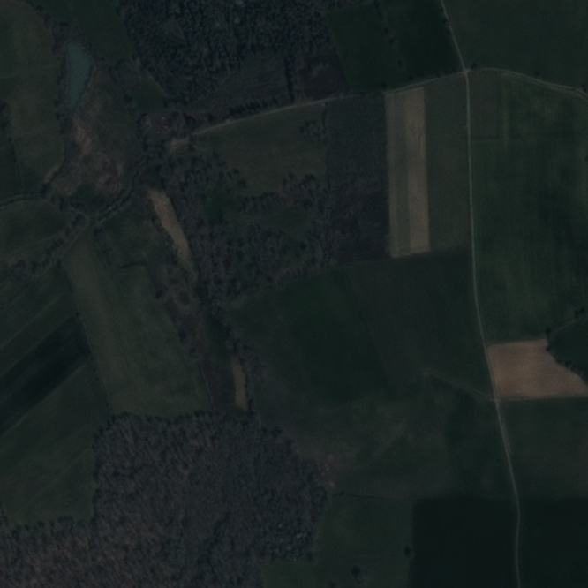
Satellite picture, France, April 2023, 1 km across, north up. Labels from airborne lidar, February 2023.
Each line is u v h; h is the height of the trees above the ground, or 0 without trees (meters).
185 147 0
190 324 0
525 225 0
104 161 0
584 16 0
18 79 0
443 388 0
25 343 0
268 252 11
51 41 0
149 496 21
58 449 0
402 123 0
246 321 0
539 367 0
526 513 0
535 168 0
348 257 0
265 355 0
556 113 0
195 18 17
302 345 0
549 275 0
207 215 0
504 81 0
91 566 24
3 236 0
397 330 0
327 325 0
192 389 0
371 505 0
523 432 0
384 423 0
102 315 0
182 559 23
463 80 0
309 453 0
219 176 0
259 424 15
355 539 0
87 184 0
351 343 0
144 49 17
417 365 0
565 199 0
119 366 0
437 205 0
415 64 0
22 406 0
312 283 0
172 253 6
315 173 0
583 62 0
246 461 23
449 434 0
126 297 0
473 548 0
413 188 0
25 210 0
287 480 20
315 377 0
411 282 0
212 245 16
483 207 0
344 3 11
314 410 0
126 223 0
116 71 13
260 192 0
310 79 0
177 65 16
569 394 0
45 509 0
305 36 19
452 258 0
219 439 19
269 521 17
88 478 0
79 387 0
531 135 0
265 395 0
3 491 0
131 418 17
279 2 18
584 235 0
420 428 0
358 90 0
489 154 0
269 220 0
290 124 0
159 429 23
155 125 0
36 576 26
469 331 0
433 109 0
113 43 0
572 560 0
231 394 0
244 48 10
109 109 0
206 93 15
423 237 0
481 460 0
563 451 0
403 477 0
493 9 0
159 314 0
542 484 0
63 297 0
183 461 19
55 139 0
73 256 0
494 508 0
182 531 19
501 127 0
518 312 0
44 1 0
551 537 0
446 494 0
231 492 21
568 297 0
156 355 0
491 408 0
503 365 0
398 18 0
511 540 0
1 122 0
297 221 0
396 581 0
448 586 0
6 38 0
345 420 0
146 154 12
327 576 0
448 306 0
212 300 7
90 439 0
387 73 0
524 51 0
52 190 12
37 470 0
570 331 0
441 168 0
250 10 19
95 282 0
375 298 0
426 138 0
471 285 0
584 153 0
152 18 18
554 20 0
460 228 0
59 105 14
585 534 0
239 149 0
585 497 0
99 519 15
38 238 0
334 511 0
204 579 22
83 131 0
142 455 22
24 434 0
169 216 0
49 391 0
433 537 0
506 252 0
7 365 0
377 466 0
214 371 0
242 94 7
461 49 0
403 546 0
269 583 0
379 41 0
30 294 0
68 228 0
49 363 0
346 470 0
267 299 0
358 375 0
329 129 10
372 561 0
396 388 0
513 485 0
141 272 0
